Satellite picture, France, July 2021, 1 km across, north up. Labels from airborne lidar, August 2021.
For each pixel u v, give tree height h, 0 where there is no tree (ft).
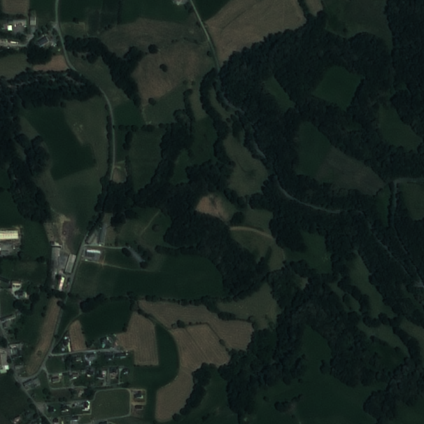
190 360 0
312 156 0
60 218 0
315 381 0
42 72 64
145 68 0
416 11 67
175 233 69
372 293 0
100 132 0
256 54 103
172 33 0
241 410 77
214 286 0
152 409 0
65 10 0
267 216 0
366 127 64
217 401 0
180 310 0
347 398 0
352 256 73
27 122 0
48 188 0
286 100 0
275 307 0
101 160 0
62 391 0
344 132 65
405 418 0
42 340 0
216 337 0
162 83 0
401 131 0
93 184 0
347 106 0
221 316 53
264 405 0
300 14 0
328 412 0
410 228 93
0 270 45
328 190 81
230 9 0
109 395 0
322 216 61
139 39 0
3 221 0
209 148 0
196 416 0
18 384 46
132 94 67
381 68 95
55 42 0
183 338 0
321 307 80
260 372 84
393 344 0
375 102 53
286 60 74
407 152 21
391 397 82
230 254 84
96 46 82
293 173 57
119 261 0
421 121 63
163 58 0
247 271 90
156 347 0
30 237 0
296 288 29
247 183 0
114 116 0
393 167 74
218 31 0
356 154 71
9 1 0
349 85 0
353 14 0
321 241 0
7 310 0
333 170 0
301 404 0
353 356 89
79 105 0
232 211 0
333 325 62
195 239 80
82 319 0
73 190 0
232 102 79
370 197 50
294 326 72
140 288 0
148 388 0
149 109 0
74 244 0
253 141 71
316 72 83
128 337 0
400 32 77
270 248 0
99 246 0
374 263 84
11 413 0
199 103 0
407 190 0
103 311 0
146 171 0
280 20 0
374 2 0
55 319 0
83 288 0
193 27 0
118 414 0
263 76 55
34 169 77
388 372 48
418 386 62
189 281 0
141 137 0
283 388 0
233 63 88
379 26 0
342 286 69
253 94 87
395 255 67
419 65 83
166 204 69
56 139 0
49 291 48
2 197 0
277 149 99
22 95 68
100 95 32
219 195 0
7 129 84
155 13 0
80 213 0
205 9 0
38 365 0
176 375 0
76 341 0
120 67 96
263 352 62
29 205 74
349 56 80
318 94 0
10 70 0
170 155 81
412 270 66
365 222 92
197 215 85
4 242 0
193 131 62
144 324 0
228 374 92
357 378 77
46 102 72
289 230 95
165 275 0
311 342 0
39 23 0
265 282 24
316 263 0
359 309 0
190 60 0
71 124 0
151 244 0
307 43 78
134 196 96
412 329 0
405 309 72
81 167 0
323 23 74
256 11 0
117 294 0
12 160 68
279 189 62
